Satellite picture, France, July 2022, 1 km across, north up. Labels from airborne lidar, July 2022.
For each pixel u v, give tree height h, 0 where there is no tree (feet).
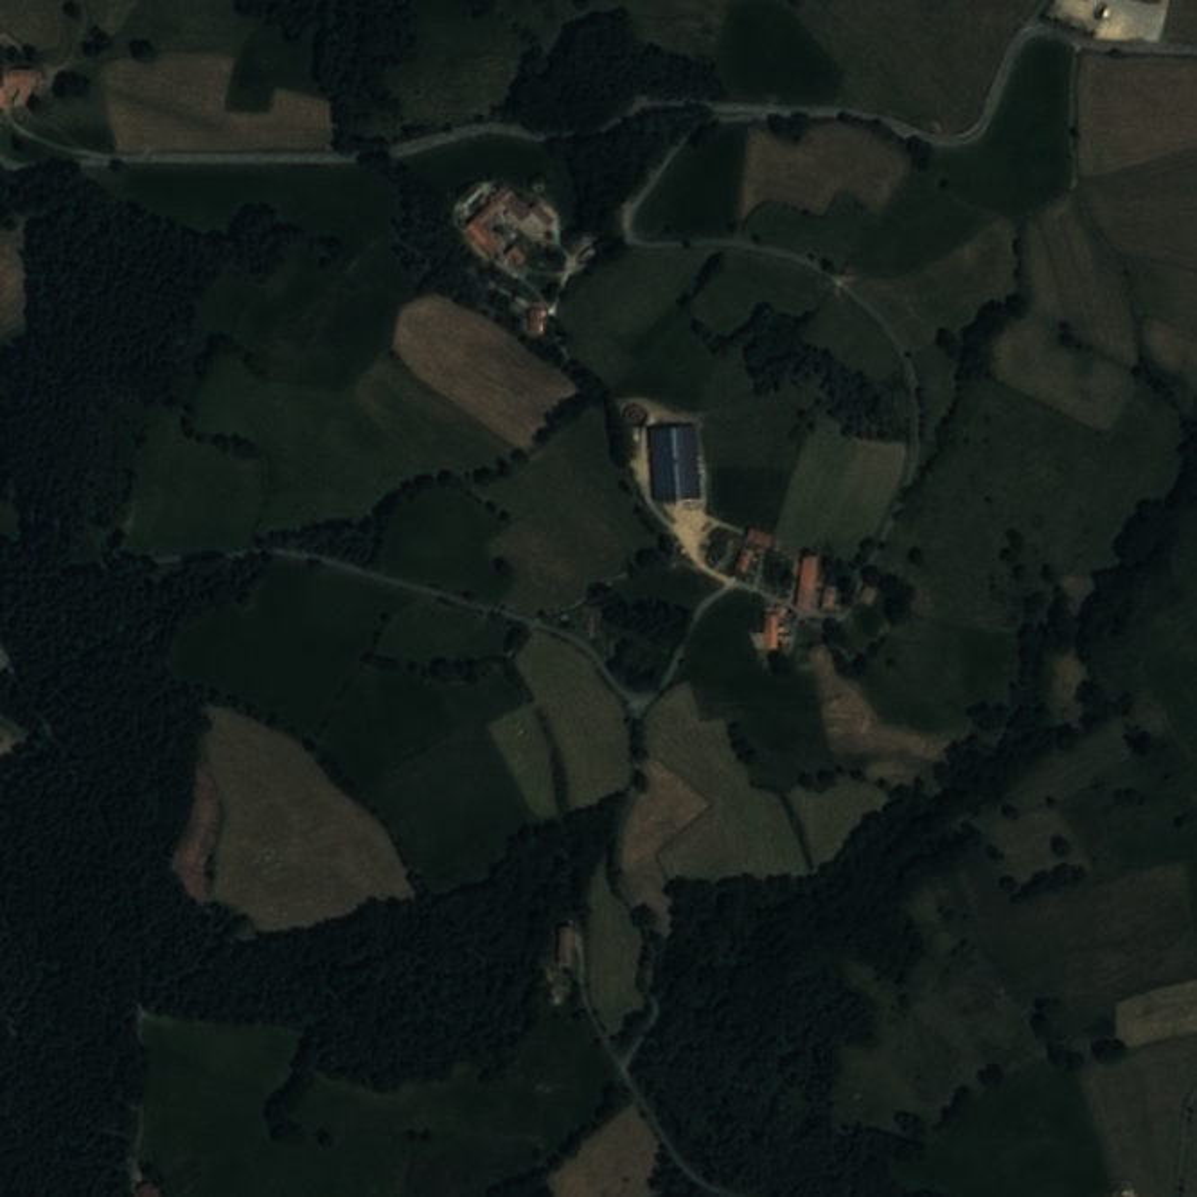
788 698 0
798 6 28
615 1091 55
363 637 0
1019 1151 0
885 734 0
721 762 0
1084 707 52
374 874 0
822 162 0
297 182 0
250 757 0
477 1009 35
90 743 84
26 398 75
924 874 72
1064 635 87
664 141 44
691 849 0
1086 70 0
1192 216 0
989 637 0
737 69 0
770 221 0
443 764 0
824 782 30
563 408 37
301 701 0
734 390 0
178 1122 0
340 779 35
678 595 0
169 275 81
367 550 57
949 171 0
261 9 79
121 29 0
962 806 35
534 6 0
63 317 81
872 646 19
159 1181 45
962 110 0
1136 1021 0
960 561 0
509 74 0
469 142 0
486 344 0
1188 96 0
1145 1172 0
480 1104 0
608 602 63
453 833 0
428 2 0
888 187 0
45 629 62
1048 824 0
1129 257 0
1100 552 0
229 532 0
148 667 71
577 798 0
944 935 0
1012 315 44
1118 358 0
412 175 58
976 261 0
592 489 0
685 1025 64
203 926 61
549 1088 0
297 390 0
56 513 92
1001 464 0
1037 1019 39
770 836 0
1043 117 0
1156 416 0
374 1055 63
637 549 0
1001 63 0
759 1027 46
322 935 66
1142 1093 0
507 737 0
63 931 62
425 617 0
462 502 0
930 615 0
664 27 0
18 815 70
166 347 79
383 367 0
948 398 0
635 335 0
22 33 0
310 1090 52
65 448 91
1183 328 0
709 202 0
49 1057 62
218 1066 0
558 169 0
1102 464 0
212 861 20
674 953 25
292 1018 71
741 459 0
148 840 60
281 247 48
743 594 0
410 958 45
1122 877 0
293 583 0
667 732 0
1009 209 0
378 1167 0
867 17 0
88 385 94
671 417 0
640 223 0
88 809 75
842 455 0
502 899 52
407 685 0
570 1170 0
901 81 0
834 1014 64
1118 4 0
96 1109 68
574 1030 0
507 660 34
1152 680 0
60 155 0
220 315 0
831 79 0
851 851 36
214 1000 56
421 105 0
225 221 0
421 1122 0
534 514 0
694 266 0
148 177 0
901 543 0
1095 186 0
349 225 0
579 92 68
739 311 0
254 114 0
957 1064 0
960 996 0
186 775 74
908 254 0
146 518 0
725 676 0
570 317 0
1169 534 53
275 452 0
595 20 51
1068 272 0
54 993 83
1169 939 0
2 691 75
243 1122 0
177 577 53
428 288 34
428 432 0
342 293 0
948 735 0
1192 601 0
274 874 0
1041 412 0
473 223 0
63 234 68
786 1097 36
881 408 43
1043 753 54
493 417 0
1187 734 0
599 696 0
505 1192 49
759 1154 60
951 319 0
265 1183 0
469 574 0
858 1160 54
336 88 55
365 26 66
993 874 0
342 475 0
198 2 0
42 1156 79
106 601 89
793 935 75
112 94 0
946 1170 0
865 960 63
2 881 78
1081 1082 0
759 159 0
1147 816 0
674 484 0
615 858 27
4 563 91
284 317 0
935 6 0
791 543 0
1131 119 0
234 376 0
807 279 0
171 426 0
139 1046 43
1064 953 0
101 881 74
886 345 0
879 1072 0
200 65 0
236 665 0
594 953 0
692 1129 56
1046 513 0
